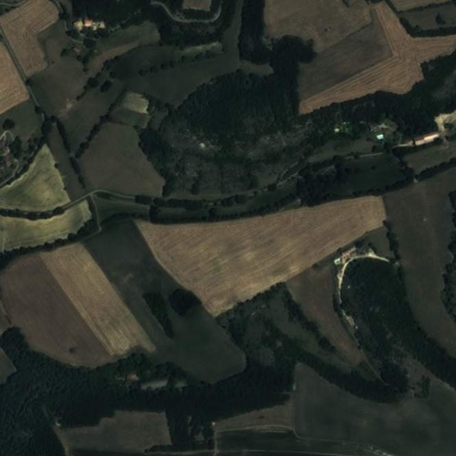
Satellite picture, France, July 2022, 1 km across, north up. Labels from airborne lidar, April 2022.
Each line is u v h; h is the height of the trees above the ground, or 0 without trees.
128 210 0
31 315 0
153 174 0
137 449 0
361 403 0
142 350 0
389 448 0
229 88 8
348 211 0
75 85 0
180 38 7
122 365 14
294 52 12
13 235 0
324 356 0
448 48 0
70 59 0
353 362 0
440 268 0
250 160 10
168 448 7
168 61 0
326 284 0
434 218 0
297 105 9
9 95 0
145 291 0
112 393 17
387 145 13
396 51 0
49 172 0
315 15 0
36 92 0
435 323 0
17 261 0
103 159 0
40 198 0
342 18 0
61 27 0
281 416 0
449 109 16
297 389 0
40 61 0
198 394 18
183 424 6
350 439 0
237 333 9
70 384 14
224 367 0
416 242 0
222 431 0
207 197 0
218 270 0
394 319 11
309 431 0
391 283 10
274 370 8
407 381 8
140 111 0
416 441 0
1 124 0
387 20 0
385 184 0
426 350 10
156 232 0
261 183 0
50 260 0
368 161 0
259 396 12
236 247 0
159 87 0
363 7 0
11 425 10
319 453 0
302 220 0
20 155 7
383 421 0
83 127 0
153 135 17
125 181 0
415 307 0
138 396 15
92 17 10
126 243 0
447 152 0
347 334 0
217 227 0
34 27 0
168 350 0
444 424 0
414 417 0
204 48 0
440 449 0
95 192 0
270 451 0
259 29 11
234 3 10
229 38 0
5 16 0
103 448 0
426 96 8
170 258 0
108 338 0
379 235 0
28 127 0
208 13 9
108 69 12
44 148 0
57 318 0
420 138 0
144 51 0
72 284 0
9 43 0
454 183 0
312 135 8
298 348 9
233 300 0
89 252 0
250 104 10
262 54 8
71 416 8
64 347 0
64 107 0
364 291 7
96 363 0
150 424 0
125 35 0
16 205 0
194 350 0
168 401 17
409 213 0
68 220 0
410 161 0
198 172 6
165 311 7
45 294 0
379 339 7
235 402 14
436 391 0
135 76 0
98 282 0
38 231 0
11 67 0
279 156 9
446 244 0
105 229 0
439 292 0
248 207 0
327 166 15
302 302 0
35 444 10
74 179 0
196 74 0
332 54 0
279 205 14
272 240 0
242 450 0
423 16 0
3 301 0
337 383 14
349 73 0
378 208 0
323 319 0
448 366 15
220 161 11
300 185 11
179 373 26
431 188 0
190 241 0
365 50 0
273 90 9
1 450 16
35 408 7
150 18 17
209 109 8
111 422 0
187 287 0
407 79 0
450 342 0
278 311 0
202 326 0
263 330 0
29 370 11
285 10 0
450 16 0
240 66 0
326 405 0
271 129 6
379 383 7
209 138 6
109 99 0
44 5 0
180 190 0
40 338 0
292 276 0
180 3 11
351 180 0
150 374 8
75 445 0
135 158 0
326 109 8
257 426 0
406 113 16
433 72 9
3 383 0
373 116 19
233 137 7
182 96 0
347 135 14
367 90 0
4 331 0
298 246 0
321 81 0
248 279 0
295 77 8
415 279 0
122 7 9
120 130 0
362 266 12
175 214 0
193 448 9
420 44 0
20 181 0
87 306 0
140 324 0
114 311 0
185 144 0
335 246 0
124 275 0
